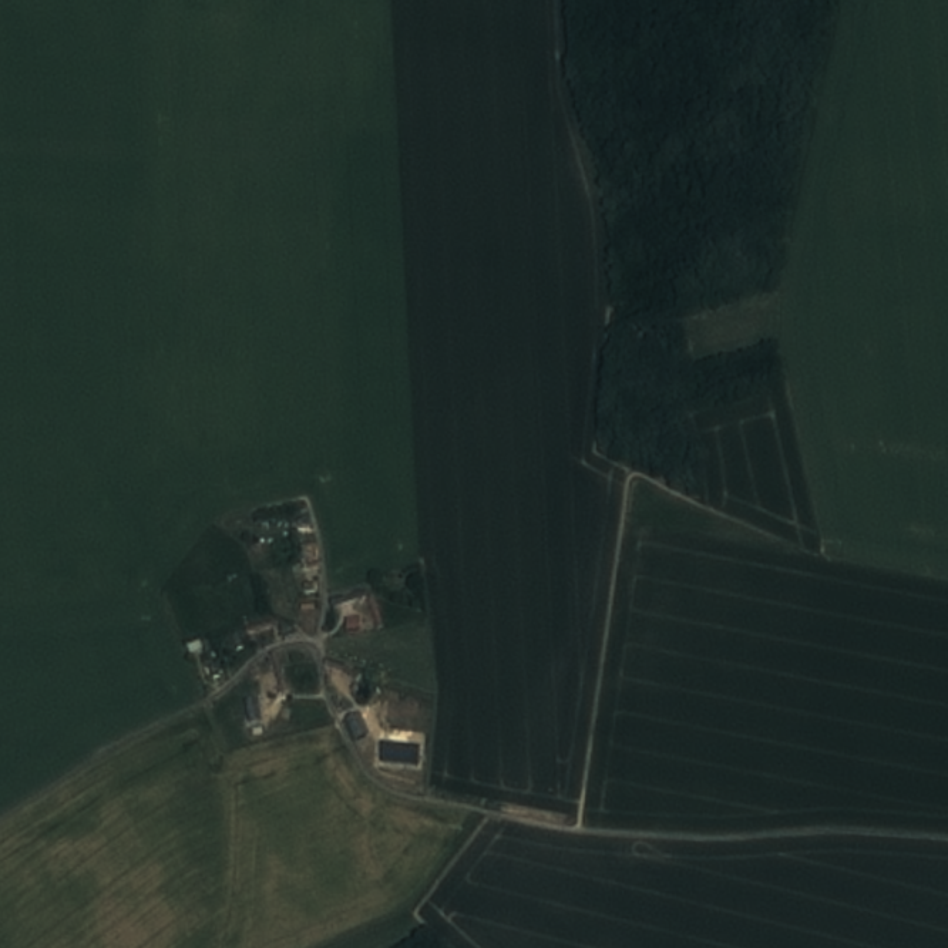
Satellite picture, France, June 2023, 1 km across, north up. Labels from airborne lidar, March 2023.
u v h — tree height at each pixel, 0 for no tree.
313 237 0
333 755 0
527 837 0
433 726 0
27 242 0
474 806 0
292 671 0
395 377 0
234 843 0
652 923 0
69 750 0
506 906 0
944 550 0
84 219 0
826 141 0
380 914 0
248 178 0
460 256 0
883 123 0
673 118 11
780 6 17
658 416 20
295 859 0
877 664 0
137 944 0
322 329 0
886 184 0
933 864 0
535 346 0
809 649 0
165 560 0
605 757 0
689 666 0
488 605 0
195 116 0
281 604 0
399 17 0
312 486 0
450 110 0
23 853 0
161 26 0
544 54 0
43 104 0
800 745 0
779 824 0
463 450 0
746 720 0
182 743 0
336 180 0
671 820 0
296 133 0
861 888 0
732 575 0
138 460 0
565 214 0
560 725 0
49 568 0
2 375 0
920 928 0
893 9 0
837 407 0
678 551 0
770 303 0
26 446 0
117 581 0
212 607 0
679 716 0
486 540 0
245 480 0
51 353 0
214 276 0
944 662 0
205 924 0
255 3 0
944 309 0
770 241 16
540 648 0
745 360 15
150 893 0
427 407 0
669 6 19
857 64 0
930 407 0
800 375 0
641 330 19
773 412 0
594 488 0
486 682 0
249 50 0
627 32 25
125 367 0
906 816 0
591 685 0
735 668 0
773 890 0
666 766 0
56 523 0
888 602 0
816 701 0
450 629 0
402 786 0
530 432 0
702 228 15
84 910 0
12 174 0
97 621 0
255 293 0
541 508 0
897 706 0
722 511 0
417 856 0
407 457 0
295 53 0
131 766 0
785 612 0
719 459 0
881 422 0
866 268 0
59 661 0
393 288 0
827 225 0
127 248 0
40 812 0
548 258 0
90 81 0
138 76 0
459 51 0
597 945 0
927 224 0
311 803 0
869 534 0
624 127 20
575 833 0
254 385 0
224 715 0
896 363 0
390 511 0
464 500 0
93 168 0
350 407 0
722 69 21
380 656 0
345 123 0
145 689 0
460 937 0
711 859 0
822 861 0
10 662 0
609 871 0
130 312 0
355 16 0
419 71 0
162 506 0
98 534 0
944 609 0
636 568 0
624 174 8
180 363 0
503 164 0
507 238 0
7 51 0
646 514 0
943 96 0
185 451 0
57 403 0
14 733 0
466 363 0
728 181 18
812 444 0
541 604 0
